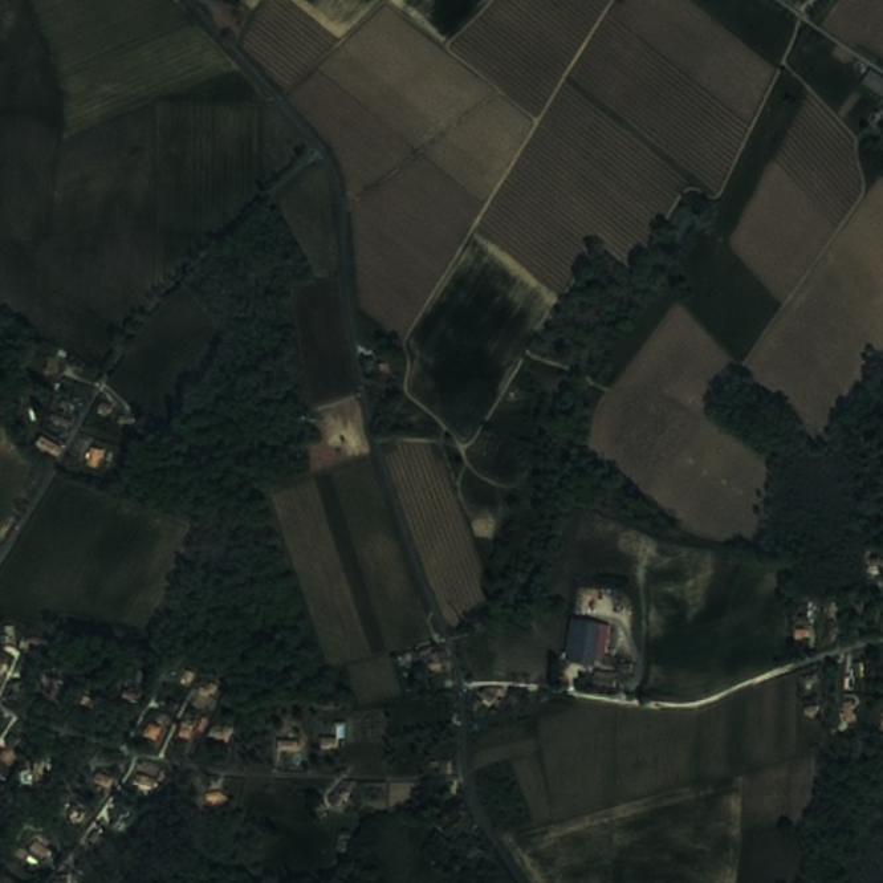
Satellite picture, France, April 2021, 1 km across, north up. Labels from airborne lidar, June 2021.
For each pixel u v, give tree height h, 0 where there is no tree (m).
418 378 0
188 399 23
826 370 0
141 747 12
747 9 0
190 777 12
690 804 0
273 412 21
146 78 0
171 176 0
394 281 0
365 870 9
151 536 0
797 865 0
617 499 11
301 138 0
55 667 8
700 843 0
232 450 23
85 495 0
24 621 0
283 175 8
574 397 20
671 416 0
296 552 0
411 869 0
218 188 0
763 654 0
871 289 0
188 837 21
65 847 15
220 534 9
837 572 10
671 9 0
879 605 23
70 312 0
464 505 0
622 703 0
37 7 0
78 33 0
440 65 0
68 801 13
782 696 0
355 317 0
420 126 0
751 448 16
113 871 9
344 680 0
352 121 0
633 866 0
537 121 0
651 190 0
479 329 0
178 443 24
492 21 0
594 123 0
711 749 0
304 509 0
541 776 0
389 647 0
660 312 0
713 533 0
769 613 0
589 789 0
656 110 0
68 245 0
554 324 8
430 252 0
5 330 21
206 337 0
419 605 0
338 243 0
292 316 12
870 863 15
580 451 13
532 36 0
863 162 0
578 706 0
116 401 0
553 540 12
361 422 0
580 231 0
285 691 22
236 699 22
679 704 0
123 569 0
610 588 7
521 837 0
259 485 17
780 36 0
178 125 0
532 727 0
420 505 0
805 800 0
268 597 19
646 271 24
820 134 0
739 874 0
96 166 0
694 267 0
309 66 0
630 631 0
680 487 0
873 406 22
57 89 0
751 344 0
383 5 0
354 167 0
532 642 0
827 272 0
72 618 0
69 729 17
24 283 0
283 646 12
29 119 0
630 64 0
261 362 20
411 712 0
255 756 9
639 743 0
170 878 21
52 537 0
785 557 20
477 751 0
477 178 0
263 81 0
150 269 0
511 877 5
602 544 0
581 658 0
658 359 0
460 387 0
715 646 0
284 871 0
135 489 18
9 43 0
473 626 12
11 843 19
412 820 17
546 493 19
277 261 11
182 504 23
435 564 0
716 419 20
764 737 0
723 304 0
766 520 20
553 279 0
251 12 0
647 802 0
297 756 0
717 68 0
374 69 0
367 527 0
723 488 0
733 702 0
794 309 0
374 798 7
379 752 0
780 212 0
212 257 15
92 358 0
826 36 9
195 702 0
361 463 0
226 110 0
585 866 0
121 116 0
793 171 0
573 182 0
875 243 0
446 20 0
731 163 0
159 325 0
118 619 0
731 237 0
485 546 0
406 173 0
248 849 20
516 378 0
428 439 0
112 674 24
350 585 0
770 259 0
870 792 20
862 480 12
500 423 0
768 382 0
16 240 0
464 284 0
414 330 0
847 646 13
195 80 0
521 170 0
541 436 7
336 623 0
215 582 22
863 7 0
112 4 0
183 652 19
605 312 10
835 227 0
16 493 0
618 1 0
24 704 14
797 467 7
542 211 0
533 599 18
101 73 0
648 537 0
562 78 0
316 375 0
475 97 0
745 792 0
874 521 6
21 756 11
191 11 0
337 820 0
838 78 0
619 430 0
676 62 0
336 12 0
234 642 20
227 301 21
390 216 0
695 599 0
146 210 0
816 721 8
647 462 0
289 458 17
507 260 0
